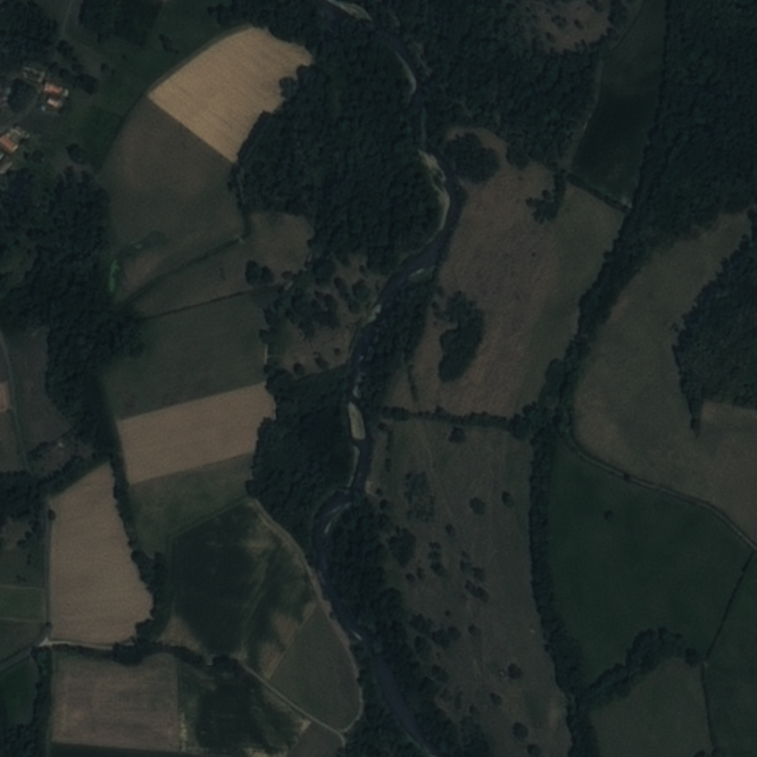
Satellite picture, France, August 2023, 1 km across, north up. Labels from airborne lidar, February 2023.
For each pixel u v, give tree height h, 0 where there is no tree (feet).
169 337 0
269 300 0
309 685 0
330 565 18
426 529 0
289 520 60
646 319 0
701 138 103
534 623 0
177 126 0
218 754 0
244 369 0
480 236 0
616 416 0
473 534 0
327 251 27
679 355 64
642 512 0
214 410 0
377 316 0
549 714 0
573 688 55
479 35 67
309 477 33
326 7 0
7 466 0
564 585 0
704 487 0
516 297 0
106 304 30
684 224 89
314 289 0
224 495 0
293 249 0
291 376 42
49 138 0
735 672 0
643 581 0
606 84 0
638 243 70
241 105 0
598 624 0
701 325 77
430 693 65
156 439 0
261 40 0
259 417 0
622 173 0
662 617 0
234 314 0
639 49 0
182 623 0
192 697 0
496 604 0
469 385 0
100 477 0
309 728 0
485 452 0
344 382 38
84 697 0
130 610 0
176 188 0
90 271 69
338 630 0
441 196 0
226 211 0
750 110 85
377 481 0
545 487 47
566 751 0
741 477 0
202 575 0
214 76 0
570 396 44
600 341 0
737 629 0
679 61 57
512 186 0
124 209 0
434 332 0
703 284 0
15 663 0
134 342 72
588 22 0
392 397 0
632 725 0
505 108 73
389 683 0
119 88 0
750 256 77
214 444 0
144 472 0
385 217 60
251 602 0
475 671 0
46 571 0
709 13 68
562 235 0
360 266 0
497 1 73
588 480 0
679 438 0
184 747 0
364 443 0
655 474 0
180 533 0
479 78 61
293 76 0
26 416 0
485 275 0
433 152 0
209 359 0
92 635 0
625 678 65
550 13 45
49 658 57
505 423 43
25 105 68
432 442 0
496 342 0
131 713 0
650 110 0
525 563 0
